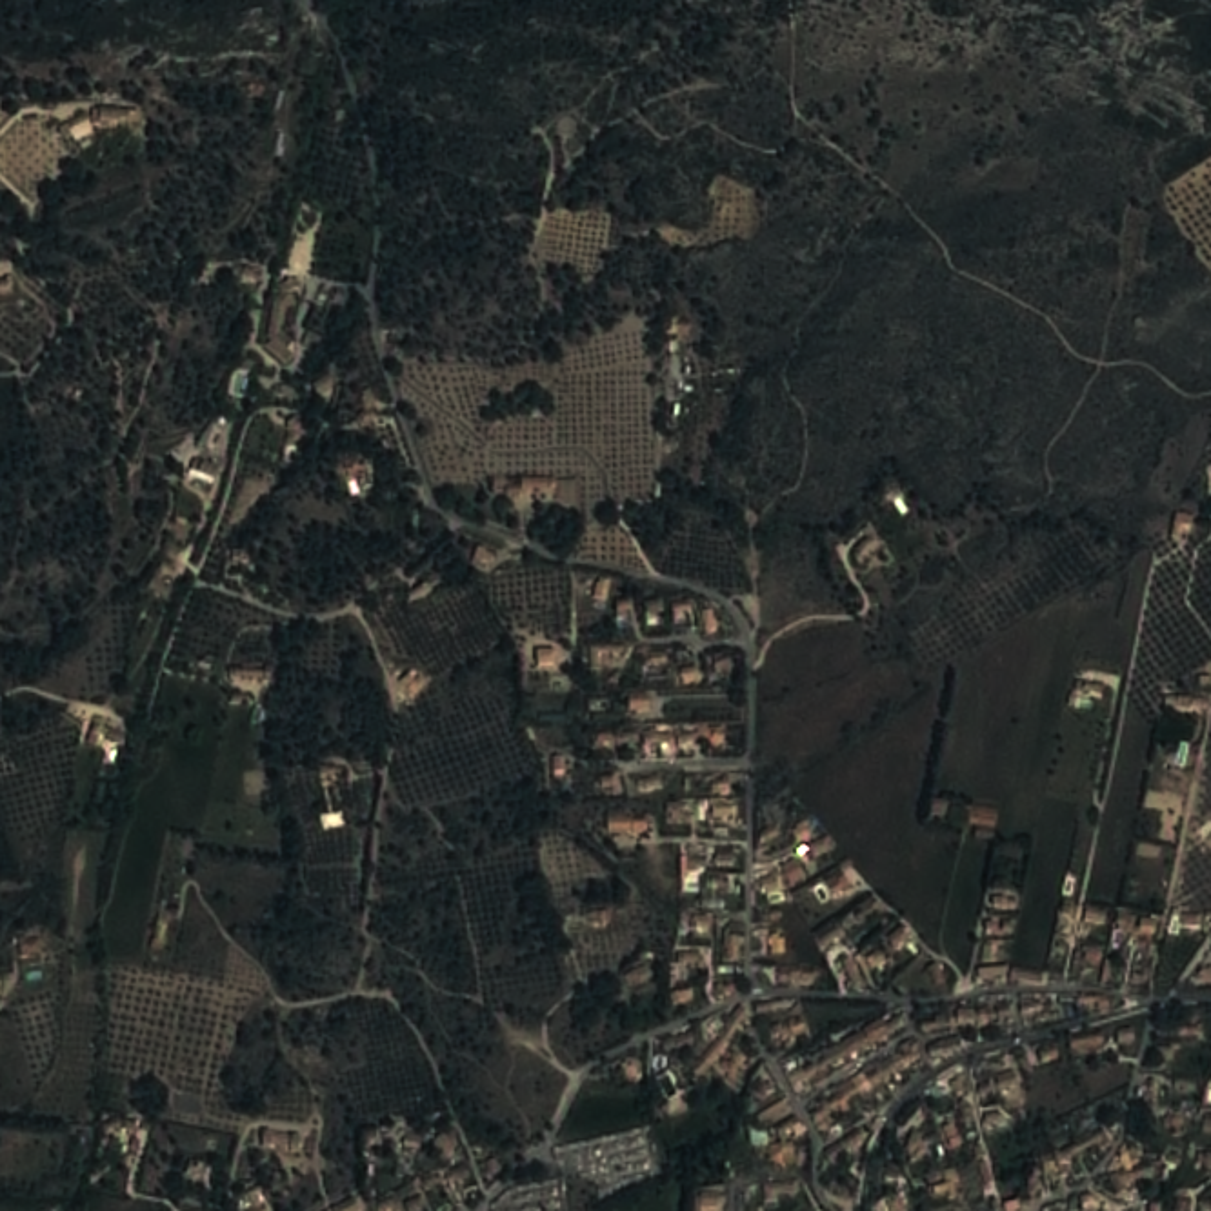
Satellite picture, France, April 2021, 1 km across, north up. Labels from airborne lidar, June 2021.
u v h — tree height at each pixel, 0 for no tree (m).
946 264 0
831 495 0
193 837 6
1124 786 0
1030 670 0
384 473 11
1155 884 0
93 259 9
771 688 0
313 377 14
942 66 0
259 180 0
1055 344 0
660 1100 11
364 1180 23
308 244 0
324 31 0
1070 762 0
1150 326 0
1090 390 0
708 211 0
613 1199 8
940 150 0
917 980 0
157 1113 11
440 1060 0
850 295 0
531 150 0
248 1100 10
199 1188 8
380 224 8
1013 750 0
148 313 7
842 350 0
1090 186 0
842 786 0
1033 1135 8
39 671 14
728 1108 12
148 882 0
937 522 6
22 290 0
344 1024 12
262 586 11
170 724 11
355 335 13
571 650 9
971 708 0
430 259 8
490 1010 6
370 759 6
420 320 8
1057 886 0
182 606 7
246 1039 9
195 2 12
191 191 9
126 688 16
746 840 0
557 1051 0
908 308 0
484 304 6
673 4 10
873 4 0
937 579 0
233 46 0
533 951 8
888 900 7
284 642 16
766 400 0
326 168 6
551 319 11
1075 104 0
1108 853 0
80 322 8
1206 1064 6
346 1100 10
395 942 7
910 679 0
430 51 14
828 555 10
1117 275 0
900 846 0
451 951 6
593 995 10
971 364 0
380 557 17
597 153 10
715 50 14
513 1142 10
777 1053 9
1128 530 0
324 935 8
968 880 0
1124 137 0
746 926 0
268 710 8
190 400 6
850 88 0
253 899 0
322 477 8
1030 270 0
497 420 7
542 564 8
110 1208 0
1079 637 0
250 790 0
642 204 5
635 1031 9
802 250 0
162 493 12
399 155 13
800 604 0
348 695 9
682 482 13
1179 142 0
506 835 7
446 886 8
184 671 10
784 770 16
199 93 15
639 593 13
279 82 15
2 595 8
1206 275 0
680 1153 7
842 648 0
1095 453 0
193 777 0
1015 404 0
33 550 7
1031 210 0
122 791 13
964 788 0
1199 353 0
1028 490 0
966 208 0
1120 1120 10
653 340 9
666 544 13
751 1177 0
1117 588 0
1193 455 0
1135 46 0
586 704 9
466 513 20
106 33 0
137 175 0
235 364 11
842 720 0
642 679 5
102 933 8
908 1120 10
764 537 7
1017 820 0
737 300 0
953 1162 6
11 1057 0
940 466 0
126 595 10
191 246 11
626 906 7
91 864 0
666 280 11
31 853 0
